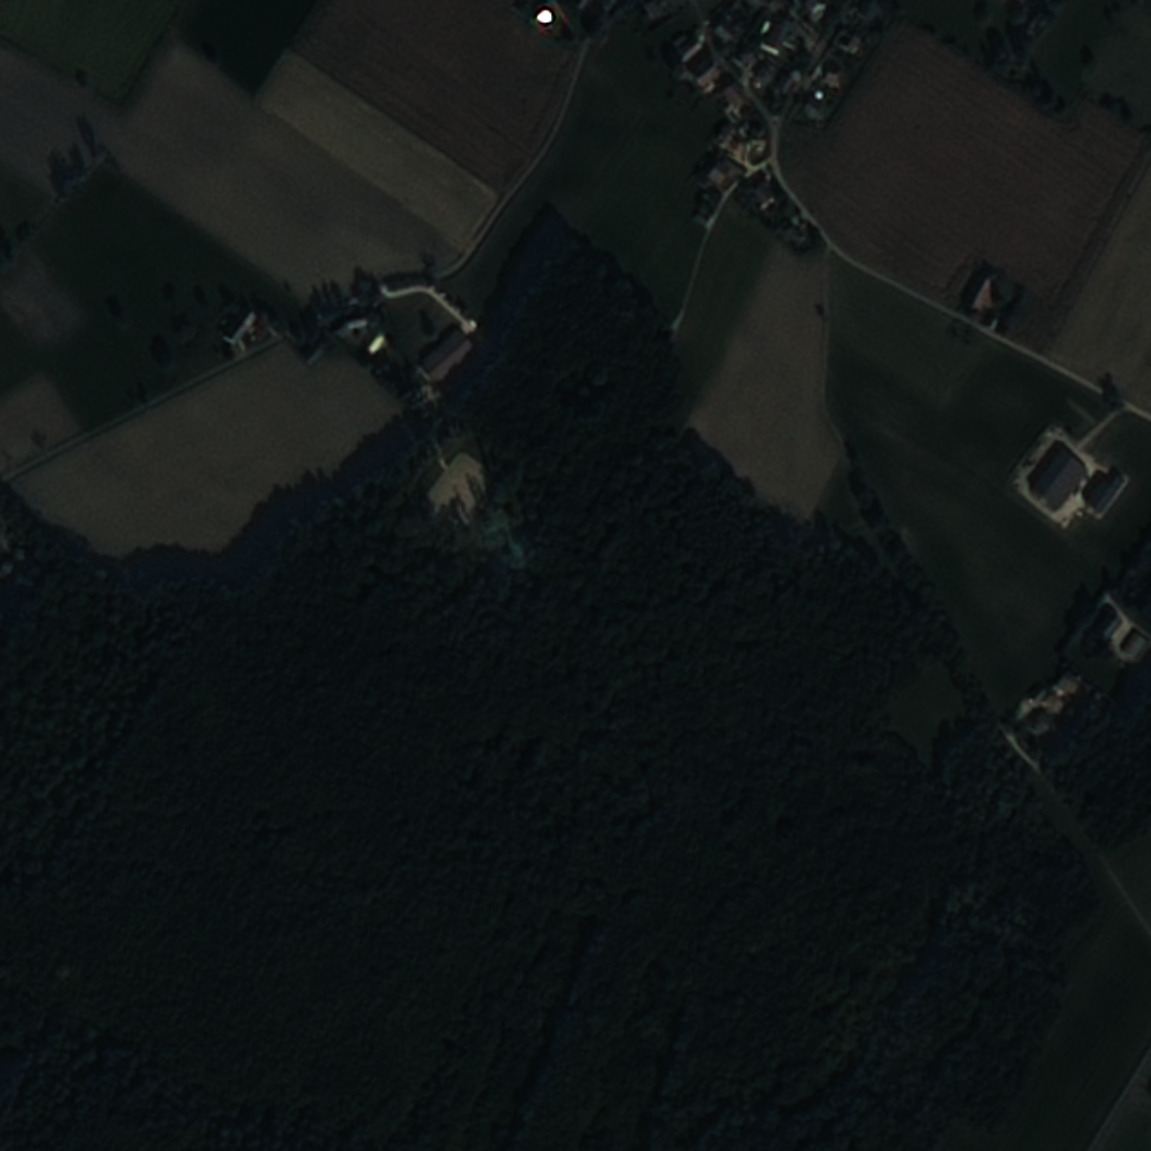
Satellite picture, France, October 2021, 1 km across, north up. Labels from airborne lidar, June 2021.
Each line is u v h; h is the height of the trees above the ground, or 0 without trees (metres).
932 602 17
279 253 0
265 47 0
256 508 0
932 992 24
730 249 0
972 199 0
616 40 0
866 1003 8
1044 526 0
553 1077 25
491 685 21
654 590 27
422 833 22
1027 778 12
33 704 20
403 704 25
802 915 21
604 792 28
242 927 25
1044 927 20
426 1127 28
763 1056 20
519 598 22
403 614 22
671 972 17
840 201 0
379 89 0
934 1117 14
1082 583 0
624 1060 8
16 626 24
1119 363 0
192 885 25
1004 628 0
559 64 0
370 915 25
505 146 0
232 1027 28
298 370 0
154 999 27
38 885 25
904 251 0
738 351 0
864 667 19
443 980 27
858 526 0
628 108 0
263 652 22
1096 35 0
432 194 0
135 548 0
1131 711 20
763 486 0
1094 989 0
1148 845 0
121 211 0
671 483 20
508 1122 10
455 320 0
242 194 0
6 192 0
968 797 19
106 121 0
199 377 0
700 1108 21
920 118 0
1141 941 0
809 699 21
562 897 21
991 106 0
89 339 0
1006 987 17
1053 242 0
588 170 0
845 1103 20
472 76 0
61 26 0
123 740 25
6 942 20
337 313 13
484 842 21
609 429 25
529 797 17
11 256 15
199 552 0
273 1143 25
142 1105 26
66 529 0
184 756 26
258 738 26
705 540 24
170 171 0
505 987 22
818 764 24
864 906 20
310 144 0
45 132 0
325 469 0
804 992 20
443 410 18
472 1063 23
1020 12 11
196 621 29
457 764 19
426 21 0
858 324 0
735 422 0
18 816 17
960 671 15
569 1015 21
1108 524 0
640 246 0
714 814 22
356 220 0
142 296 0
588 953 24
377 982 28
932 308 0
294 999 27
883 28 9
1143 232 0
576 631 24
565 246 23
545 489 18
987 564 0
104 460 0
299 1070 29
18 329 0
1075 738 16
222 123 0
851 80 0
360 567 22
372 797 25
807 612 23
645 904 24
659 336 7
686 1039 21
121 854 26
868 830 23
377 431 0
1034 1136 0
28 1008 27
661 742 23
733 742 21
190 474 0
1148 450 0
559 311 25
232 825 25
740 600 25
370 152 0
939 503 0
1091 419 0
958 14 0
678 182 0
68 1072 15
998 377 0
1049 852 10
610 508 24
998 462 0
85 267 0
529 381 25
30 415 0
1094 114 0
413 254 0
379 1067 29
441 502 0
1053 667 0
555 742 23
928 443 0
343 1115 27
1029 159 0
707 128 0
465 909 28
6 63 0
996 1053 21
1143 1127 0
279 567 26
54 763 20
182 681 24
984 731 14
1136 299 0
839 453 0
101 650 16
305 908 25
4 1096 16
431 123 0
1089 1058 0
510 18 0
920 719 0
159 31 0
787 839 24
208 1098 29
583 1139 6
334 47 0
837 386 0
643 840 22
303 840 25
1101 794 19
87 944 26
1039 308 0
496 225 0
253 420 0
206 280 0
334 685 25
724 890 20
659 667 25
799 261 0
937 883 22
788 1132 26
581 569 21
